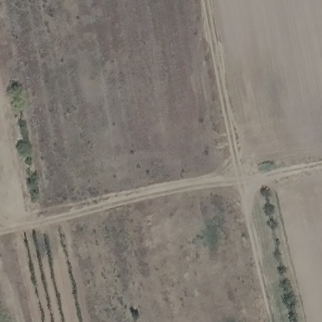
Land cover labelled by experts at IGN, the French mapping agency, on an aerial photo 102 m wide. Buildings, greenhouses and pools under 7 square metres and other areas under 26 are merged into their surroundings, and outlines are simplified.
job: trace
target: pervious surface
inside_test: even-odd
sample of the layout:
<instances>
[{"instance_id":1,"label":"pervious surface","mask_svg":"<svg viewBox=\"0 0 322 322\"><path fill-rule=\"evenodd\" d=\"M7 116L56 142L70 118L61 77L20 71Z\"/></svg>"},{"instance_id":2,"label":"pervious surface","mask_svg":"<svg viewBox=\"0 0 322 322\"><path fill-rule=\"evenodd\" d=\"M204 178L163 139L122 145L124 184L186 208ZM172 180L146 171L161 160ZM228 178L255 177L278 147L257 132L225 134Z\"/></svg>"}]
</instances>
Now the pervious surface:
<instances>
[{"instance_id":1,"label":"pervious surface","mask_svg":"<svg viewBox=\"0 0 322 322\"><path fill-rule=\"evenodd\" d=\"M218 148L229 147L230 156L211 174L161 182L140 189L109 192L108 200L79 209L70 209L65 213L38 216L40 204L35 201L31 201L30 197L23 197L23 201L26 218L24 228L31 231L44 233L48 225L99 213L114 206L138 203L179 192L235 186L240 194L241 211L244 214L241 216L241 223L247 224L255 275L262 291L255 303L260 307L260 317L269 318L269 304L264 286L270 283L267 274L260 272L263 268L263 253L252 215L254 195L265 186L270 191L277 191L279 196L284 194L284 190L294 190L296 180L312 180L314 171L322 170L322 161L272 170L272 161L263 161L260 164L255 157L254 147L245 143L244 131L234 117L225 84L223 43L226 39L219 6L223 0L203 0L201 19L213 59L221 114L224 118L224 133L228 140L218 143Z\"/></svg>"},{"instance_id":2,"label":"pervious surface","mask_svg":"<svg viewBox=\"0 0 322 322\"><path fill-rule=\"evenodd\" d=\"M0 322L25 322L18 294L4 272L0 259Z\"/></svg>"}]
</instances>

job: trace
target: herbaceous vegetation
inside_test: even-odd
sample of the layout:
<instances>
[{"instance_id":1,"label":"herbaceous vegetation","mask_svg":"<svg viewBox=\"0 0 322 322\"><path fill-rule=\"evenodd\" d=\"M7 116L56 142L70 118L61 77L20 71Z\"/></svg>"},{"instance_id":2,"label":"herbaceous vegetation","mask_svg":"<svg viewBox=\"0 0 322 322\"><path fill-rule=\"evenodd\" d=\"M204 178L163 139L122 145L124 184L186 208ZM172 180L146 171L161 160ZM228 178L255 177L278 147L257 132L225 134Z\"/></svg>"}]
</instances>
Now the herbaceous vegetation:
<instances>
[{"instance_id":1,"label":"herbaceous vegetation","mask_svg":"<svg viewBox=\"0 0 322 322\"><path fill-rule=\"evenodd\" d=\"M31 322L28 291L24 284L25 275L21 273L18 253L13 244L15 234L0 235L0 259L4 272L18 294L25 322Z\"/></svg>"}]
</instances>

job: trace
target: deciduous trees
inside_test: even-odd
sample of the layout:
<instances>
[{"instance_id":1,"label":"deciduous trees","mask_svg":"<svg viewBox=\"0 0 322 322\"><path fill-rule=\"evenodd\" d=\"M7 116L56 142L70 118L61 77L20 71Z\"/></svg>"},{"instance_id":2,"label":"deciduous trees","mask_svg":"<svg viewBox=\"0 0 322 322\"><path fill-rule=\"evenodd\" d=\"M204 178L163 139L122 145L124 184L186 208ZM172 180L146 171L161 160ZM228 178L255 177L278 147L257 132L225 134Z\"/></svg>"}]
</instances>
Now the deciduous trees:
<instances>
[{"instance_id":1,"label":"deciduous trees","mask_svg":"<svg viewBox=\"0 0 322 322\"><path fill-rule=\"evenodd\" d=\"M38 174L35 171L26 169L30 197L31 201L35 201L38 199Z\"/></svg>"},{"instance_id":2,"label":"deciduous trees","mask_svg":"<svg viewBox=\"0 0 322 322\"><path fill-rule=\"evenodd\" d=\"M31 165L33 155L28 128L24 119L19 119L21 140L16 143L16 150L25 158L26 164Z\"/></svg>"},{"instance_id":3,"label":"deciduous trees","mask_svg":"<svg viewBox=\"0 0 322 322\"><path fill-rule=\"evenodd\" d=\"M280 279L279 286L283 289L283 303L288 308L291 322L296 322L296 296L291 282L286 278Z\"/></svg>"}]
</instances>

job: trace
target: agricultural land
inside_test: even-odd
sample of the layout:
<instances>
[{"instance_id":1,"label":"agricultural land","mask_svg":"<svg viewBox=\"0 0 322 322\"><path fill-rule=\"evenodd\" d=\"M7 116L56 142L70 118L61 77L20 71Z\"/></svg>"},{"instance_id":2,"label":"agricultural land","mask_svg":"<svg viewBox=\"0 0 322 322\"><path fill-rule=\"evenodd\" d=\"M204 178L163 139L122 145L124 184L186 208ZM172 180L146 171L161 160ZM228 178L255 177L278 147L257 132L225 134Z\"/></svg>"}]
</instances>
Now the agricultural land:
<instances>
[{"instance_id":1,"label":"agricultural land","mask_svg":"<svg viewBox=\"0 0 322 322\"><path fill-rule=\"evenodd\" d=\"M226 39L223 43L225 84L234 117L244 131L245 143L254 147L255 157L260 164L263 161L272 161L272 170L322 161L322 0L223 0L219 6Z\"/></svg>"},{"instance_id":2,"label":"agricultural land","mask_svg":"<svg viewBox=\"0 0 322 322\"><path fill-rule=\"evenodd\" d=\"M50 322L31 231L24 228L26 218L23 201L23 197L30 197L26 169L35 171L38 174L38 199L35 201L40 204L38 216L65 213L70 209L79 209L108 200L109 192L140 189L161 182L211 174L230 156L229 147L218 148L218 143L228 140L224 133L224 118L221 114L213 59L201 19L203 0L0 0L0 235L15 234L13 244L18 253L21 273L25 275L24 284L28 291L31 322ZM16 150L16 143L21 140L19 119L24 119L28 128L33 155L31 165L26 164L25 158ZM36 297L30 279L24 231L38 283L39 296Z\"/></svg>"},{"instance_id":3,"label":"agricultural land","mask_svg":"<svg viewBox=\"0 0 322 322\"><path fill-rule=\"evenodd\" d=\"M43 257L44 274L55 322L60 322L48 257Z\"/></svg>"},{"instance_id":4,"label":"agricultural land","mask_svg":"<svg viewBox=\"0 0 322 322\"><path fill-rule=\"evenodd\" d=\"M48 235L52 249L54 274L62 298L65 322L79 322L67 263L60 245L59 225L62 226L65 235L65 244L77 283L83 322L291 322L288 308L283 303L283 289L279 286L280 279L286 278L291 282L296 296L296 322L322 322L322 170L314 171L312 180L296 180L294 190L284 190L284 194L279 196L277 191L270 191L265 186L254 195L252 215L263 253L263 268L260 272L267 274L270 283L264 286L269 304L269 318L260 317L260 307L255 303L262 291L255 275L247 224L241 223L241 216L244 214L241 211L240 194L235 186L179 192L138 203L114 206L99 213L48 225L44 233Z\"/></svg>"}]
</instances>

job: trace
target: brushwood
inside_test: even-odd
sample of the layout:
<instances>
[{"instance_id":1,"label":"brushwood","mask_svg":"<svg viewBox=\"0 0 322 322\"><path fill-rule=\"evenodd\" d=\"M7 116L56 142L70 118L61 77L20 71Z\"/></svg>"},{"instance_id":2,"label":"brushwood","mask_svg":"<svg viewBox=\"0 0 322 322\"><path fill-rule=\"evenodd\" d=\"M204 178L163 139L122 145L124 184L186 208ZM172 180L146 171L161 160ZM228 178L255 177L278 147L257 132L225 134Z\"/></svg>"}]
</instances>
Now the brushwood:
<instances>
[{"instance_id":1,"label":"brushwood","mask_svg":"<svg viewBox=\"0 0 322 322\"><path fill-rule=\"evenodd\" d=\"M39 296L38 283L24 231L30 279L36 297Z\"/></svg>"},{"instance_id":2,"label":"brushwood","mask_svg":"<svg viewBox=\"0 0 322 322\"><path fill-rule=\"evenodd\" d=\"M59 225L60 245L67 263L79 322L83 322L77 283L65 244L65 235L62 226Z\"/></svg>"},{"instance_id":3,"label":"brushwood","mask_svg":"<svg viewBox=\"0 0 322 322\"><path fill-rule=\"evenodd\" d=\"M48 257L60 322L65 322L62 298L54 274L52 249L48 235L44 233L31 231L50 322L55 322L44 274L43 257Z\"/></svg>"}]
</instances>

